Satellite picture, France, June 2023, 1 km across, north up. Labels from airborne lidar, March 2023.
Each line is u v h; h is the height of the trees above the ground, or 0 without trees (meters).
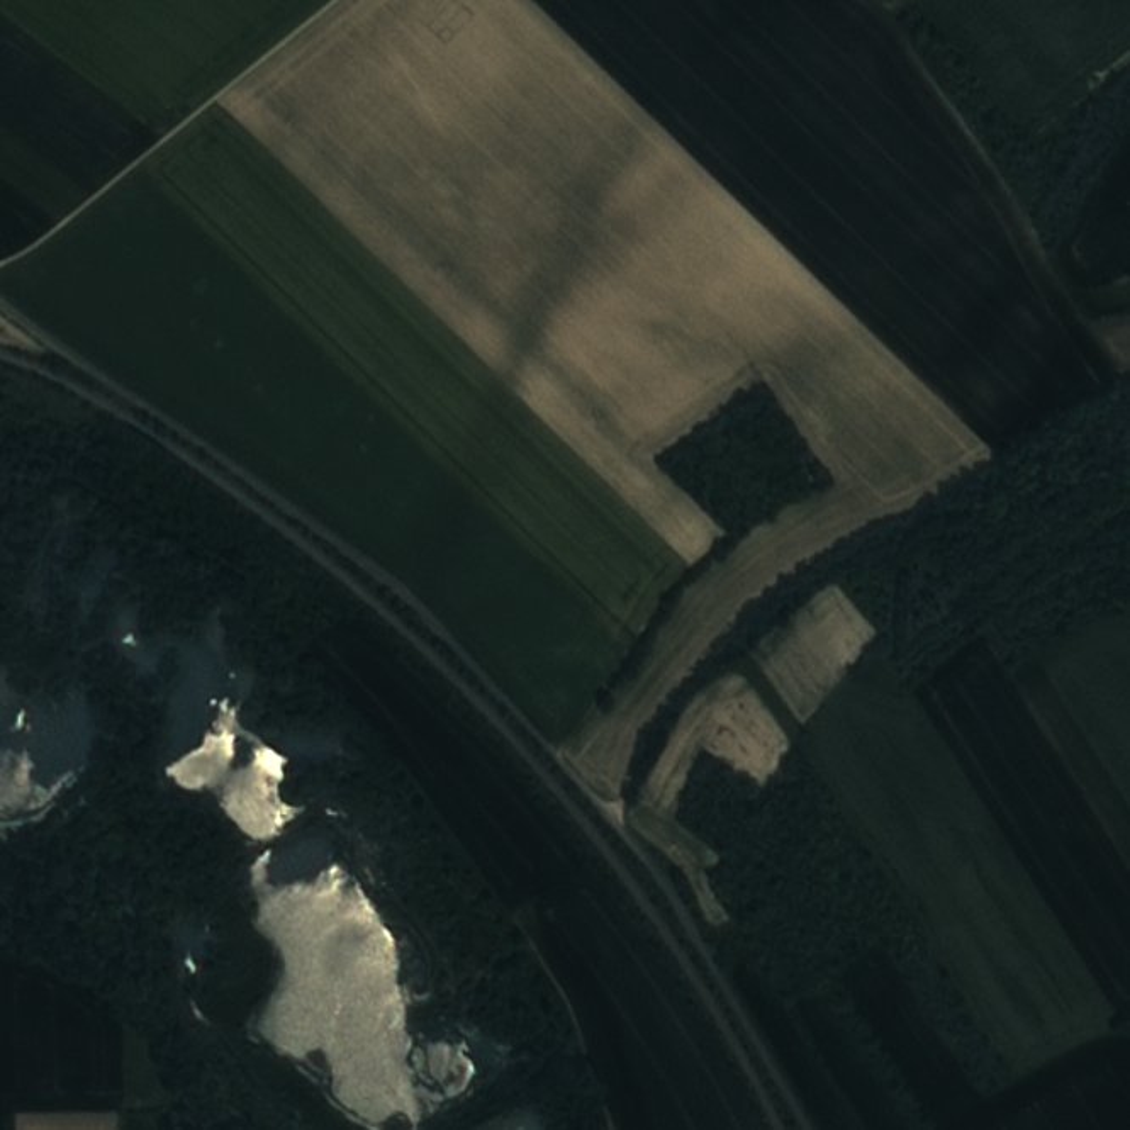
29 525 25
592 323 0
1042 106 0
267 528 10
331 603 6
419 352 0
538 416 0
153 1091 0
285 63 0
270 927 0
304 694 10
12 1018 0
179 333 0
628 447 0
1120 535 11
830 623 0
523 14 0
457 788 0
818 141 0
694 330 0
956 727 0
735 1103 0
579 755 0
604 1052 0
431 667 10
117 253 0
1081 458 17
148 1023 20
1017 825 0
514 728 10
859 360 0
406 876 8
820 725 0
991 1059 14
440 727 0
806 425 0
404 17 0
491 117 0
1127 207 0
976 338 0
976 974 0
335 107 0
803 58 0
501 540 0
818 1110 0
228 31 0
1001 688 0
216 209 0
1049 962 0
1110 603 12
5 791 0
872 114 0
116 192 0
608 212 0
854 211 0
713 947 14
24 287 0
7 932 17
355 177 0
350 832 0
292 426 0
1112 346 0
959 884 0
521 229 0
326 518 0
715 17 0
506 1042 8
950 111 0
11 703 0
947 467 0
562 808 10
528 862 0
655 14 0
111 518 17
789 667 0
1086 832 0
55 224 0
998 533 9
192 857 8
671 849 0
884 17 0
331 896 0
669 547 0
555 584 0
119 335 0
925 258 0
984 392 0
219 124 0
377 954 0
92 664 19
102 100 0
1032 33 0
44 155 0
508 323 0
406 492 0
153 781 16
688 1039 0
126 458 18
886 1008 0
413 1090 0
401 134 0
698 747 0
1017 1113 0
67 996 0
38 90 0
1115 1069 0
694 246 0
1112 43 0
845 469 0
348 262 0
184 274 0
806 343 0
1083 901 0
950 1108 0
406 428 0
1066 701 0
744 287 0
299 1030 0
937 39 11
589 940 0
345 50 0
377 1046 0
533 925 0
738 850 13
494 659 0
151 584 10
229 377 0
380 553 0
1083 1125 0
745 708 0
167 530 19
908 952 12
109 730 18
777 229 0
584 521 0
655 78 0
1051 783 0
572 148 0
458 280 0
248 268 0
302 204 0
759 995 0
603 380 0
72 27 0
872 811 0
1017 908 0
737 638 6
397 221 0
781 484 18
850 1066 0
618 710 0
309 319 0
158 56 0
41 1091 0
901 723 0
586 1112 18
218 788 0
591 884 0
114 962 19
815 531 0
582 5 0
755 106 0
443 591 0
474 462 0
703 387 0
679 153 0
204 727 0
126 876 22
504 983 9
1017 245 0
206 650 0
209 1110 23
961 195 0
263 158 0
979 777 0
